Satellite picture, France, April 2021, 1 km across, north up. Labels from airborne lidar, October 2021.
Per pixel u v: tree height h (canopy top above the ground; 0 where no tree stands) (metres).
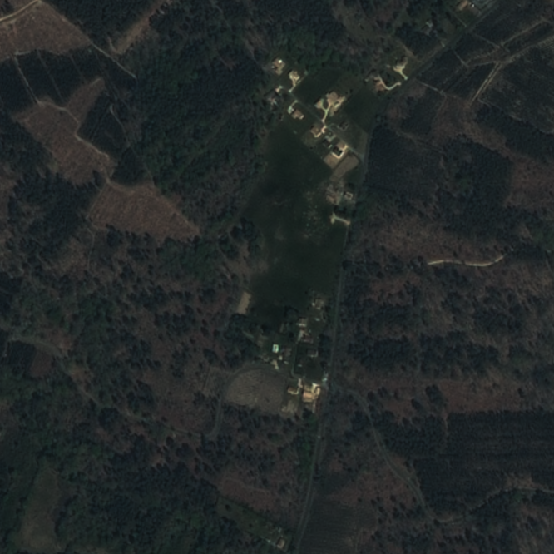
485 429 8
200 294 9
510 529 12
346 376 14
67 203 20
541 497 16
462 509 21
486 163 27
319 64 16
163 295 17
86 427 13
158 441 16
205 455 0
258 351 16
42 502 0
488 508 17
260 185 0
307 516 0
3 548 13
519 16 9
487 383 25
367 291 8
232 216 15
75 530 13
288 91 0
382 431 22
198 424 0
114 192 0
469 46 9
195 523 15
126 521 19
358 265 12
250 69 21
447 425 9
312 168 0
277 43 15
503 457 10
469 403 12
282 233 0
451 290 26
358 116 0
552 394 20
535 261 18
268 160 0
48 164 13
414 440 23
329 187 0
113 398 28
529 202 7
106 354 16
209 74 24
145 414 8
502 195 29
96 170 0
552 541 14
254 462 13
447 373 26
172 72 25
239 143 7
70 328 24
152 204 0
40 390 27
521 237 23
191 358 9
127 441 11
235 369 19
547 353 20
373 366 22
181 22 22
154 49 18
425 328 18
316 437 9
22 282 10
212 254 16
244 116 14
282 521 0
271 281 0
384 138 14
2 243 11
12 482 5
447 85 7
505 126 24
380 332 27
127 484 22
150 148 23
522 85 6
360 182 0
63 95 9
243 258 0
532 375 10
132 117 10
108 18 25
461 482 9
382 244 7
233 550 22
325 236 0
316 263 0
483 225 26
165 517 22
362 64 18
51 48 0
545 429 10
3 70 10
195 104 26
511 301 9
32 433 15
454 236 25
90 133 8
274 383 0
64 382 19
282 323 0
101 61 9
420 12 0
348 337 11
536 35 9
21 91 12
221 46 24
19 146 23
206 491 22
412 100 0
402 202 7
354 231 12
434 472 11
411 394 16
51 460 23
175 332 14
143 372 18
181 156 21
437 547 6
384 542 24
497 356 24
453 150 22
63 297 15
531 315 22
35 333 14
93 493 12
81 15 25
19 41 0
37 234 23
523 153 25
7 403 16
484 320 14
